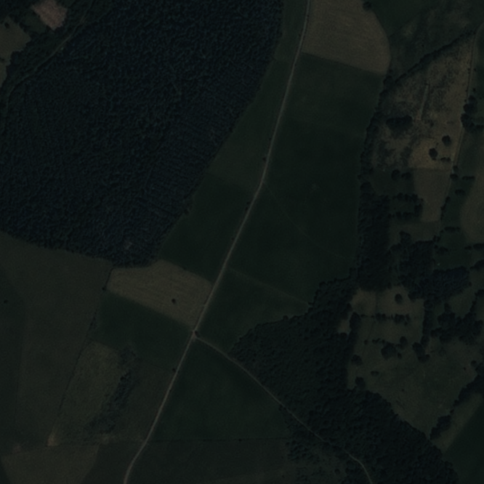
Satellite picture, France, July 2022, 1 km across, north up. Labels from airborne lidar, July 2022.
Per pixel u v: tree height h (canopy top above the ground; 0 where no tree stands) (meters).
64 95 20
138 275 0
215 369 0
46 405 0
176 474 0
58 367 0
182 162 14
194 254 0
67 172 19
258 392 0
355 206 0
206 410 0
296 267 0
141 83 27
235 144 0
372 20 0
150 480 0
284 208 0
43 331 0
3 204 19
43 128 14
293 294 0
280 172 0
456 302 0
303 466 0
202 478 0
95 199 18
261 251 0
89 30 18
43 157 15
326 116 0
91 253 17
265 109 0
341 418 19
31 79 10
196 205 0
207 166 9
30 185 18
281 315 0
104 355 0
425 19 0
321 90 0
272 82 0
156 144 19
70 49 25
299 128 0
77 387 0
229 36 22
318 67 0
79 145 7
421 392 0
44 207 22
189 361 0
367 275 18
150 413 0
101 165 19
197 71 14
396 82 8
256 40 19
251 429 0
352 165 0
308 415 6
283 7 6
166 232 10
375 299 0
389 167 0
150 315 0
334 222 0
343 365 20
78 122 16
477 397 0
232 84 14
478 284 0
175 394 0
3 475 0
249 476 0
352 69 0
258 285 0
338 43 0
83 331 0
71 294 0
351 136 0
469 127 20
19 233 16
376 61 0
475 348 0
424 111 0
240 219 0
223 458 0
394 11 0
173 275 0
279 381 5
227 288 0
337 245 0
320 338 6
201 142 14
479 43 0
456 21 0
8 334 0
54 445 0
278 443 0
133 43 20
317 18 0
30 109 19
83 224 16
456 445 0
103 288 6
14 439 0
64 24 14
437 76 0
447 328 20
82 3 6
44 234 24
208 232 0
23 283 0
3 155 13
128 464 0
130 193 22
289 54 0
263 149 0
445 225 0
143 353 0
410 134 0
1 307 0
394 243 0
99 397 0
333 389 13
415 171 0
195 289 0
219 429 0
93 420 0
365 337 0
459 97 0
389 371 0
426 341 16
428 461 24
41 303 0
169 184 16
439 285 27
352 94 0
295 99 0
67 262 0
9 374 0
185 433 0
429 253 17
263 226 0
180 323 0
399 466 23
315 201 0
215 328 0
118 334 0
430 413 0
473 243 0
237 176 0
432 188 0
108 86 20
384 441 22
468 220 0
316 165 0
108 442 0
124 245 16
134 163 24
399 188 0
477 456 0
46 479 0
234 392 0
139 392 0
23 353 0
